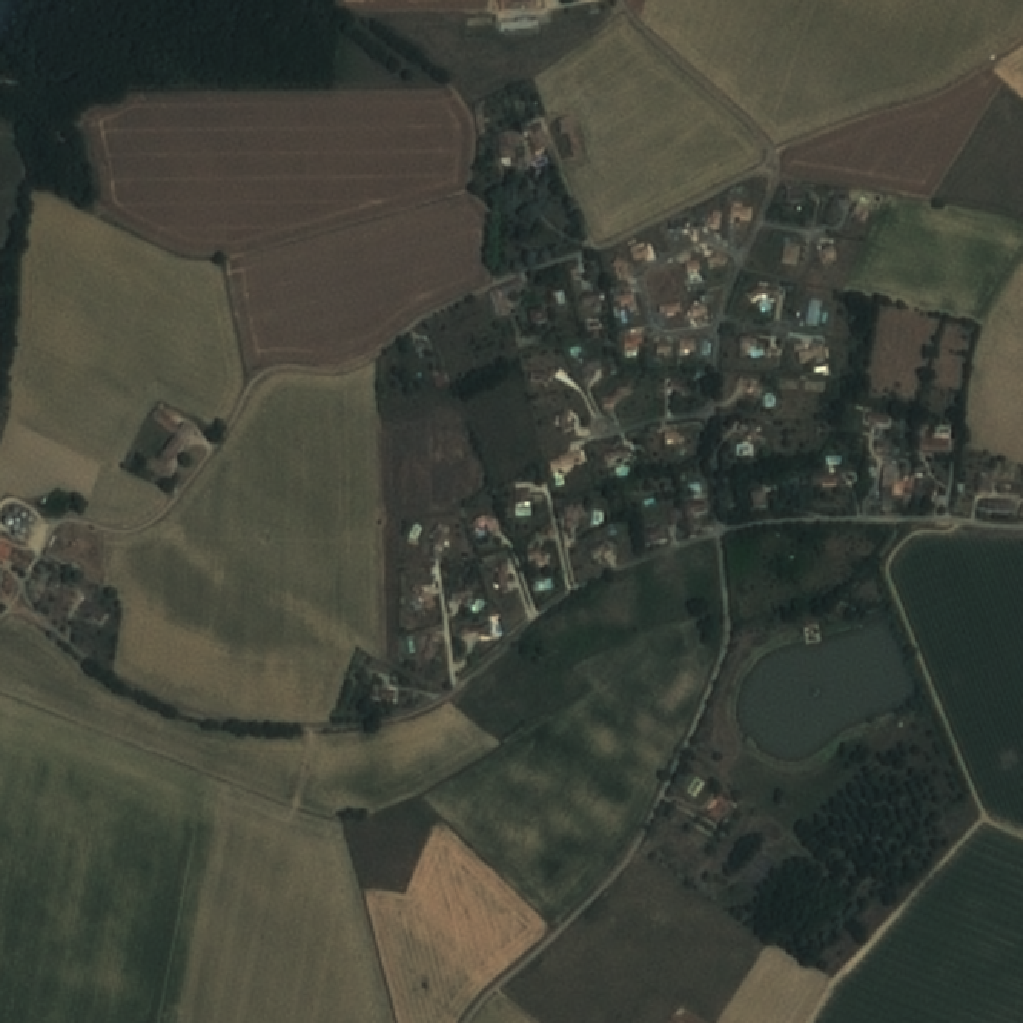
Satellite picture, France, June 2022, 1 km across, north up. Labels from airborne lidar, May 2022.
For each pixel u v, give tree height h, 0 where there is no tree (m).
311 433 0
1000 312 0
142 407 0
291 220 0
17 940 0
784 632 0
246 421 0
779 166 0
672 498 9
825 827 12
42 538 0
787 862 8
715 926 0
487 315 0
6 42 19
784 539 0
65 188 19
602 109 0
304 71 15
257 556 0
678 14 0
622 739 0
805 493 10
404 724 0
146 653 0
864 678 0
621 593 0
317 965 0
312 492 0
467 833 0
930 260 0
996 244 0
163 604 0
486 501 0
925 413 12
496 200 17
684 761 9
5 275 16
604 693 0
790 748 0
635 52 0
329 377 0
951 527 0
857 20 0
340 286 0
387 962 0
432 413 0
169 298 0
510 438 0
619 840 0
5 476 0
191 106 0
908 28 0
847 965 0
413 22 0
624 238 0
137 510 0
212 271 0
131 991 0
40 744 0
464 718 0
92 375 0
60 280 0
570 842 0
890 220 0
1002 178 0
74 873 0
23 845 0
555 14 0
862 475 8
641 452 9
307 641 0
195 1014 0
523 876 0
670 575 0
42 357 0
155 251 0
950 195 0
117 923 0
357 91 0
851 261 0
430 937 0
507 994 0
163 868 0
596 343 0
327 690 0
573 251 8
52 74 18
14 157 0
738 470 13
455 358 0
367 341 0
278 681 0
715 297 0
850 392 9
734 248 0
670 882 0
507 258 15
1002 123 0
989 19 0
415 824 0
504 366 13
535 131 0
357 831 0
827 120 0
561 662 0
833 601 14
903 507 6
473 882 0
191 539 0
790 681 0
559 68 0
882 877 14
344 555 0
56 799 0
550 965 0
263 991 0
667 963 0
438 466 0
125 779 0
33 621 0
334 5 14
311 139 0
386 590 0
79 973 0
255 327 0
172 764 0
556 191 13
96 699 0
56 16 26
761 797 0
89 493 0
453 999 0
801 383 0
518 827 0
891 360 0
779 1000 0
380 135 0
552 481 0
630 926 0
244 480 0
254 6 17
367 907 0
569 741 0
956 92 0
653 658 0
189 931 0
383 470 0
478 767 0
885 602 6
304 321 0
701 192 0
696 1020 0
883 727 0
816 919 9
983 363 0
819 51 0
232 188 0
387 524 0
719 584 0
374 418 0
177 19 11
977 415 0
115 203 0
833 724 0
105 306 0
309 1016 0
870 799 13
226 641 0
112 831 0
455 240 0
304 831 0
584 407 0
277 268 0
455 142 0
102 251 0
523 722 5
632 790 0
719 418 8
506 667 0
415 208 0
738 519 11
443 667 0
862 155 0
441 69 13
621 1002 0
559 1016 0
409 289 0
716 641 0
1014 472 0
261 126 0
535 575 8
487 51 0
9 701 0
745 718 0
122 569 0
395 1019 0
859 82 0
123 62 19
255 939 0
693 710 0
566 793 0
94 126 0
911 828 7
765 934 14
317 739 0
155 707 15
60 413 0
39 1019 0
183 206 0
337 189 0
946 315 9
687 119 0
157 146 0
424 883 0
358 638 0
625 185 0
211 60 15
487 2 0
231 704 0
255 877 0
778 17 0
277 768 0
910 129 0
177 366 0
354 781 0
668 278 0
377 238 0
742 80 0
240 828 0
